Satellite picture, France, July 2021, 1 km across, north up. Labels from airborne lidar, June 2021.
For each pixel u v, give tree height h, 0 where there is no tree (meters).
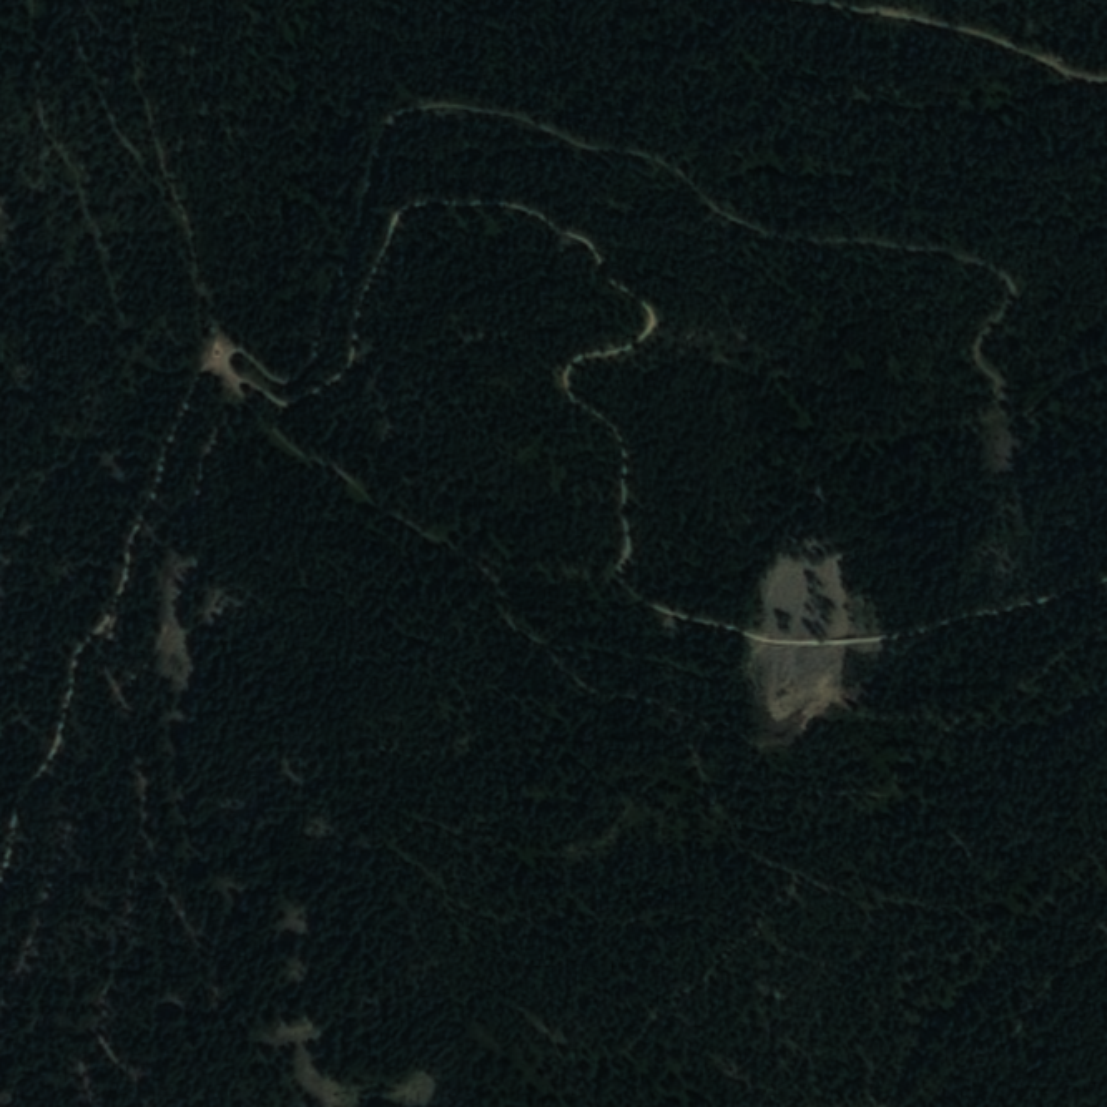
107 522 12
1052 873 23
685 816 10
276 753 7
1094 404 24
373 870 11
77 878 19
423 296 12
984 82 8
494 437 9
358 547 13
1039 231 23
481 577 13
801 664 0
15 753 17
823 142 26
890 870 24
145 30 19
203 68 18
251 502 11
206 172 17
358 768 12
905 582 18
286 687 16
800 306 25
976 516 25
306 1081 0
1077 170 22
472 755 7
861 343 20
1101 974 16
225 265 6
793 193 27
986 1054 25
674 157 22
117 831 20
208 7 15
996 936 25
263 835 12
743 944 13
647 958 18
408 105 9
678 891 20
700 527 19
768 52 25
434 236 20
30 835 17
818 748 14
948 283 18
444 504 23
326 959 17
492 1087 14
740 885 16
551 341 15
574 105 9
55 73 7
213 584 18
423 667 14
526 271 23
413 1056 14
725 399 23
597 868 18
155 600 21
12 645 18
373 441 11
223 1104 16
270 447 9
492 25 7
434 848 14
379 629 19
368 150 22
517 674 17
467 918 22
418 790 15
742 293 19
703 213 10
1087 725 21
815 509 27
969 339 14
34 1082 23
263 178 12
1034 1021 24
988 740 22
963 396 11
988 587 13
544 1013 17
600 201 7
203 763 26
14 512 13
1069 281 26
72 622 17
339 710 10
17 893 14
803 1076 18
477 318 22
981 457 31
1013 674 21
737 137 20
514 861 19
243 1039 13
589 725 21
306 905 14
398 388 18
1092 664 19
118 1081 20
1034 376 17
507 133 18
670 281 16
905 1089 20
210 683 25
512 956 16
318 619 13
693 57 26
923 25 11
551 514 20
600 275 13
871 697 11
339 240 6
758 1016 14
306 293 6
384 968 6
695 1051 20
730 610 24
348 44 28
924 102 8
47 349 18
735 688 20
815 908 16
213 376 14
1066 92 14
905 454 9
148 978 18
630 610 23
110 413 16
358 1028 20
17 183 11
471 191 23
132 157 21
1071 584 9
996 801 17
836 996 17
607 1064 14
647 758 19
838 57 21
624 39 32
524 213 13
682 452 16
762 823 15
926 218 24
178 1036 22
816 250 22
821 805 19
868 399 22
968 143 31
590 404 18
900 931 23
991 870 17
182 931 20
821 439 25
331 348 21
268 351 14
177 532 18
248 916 24
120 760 21
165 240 17
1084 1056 17
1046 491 21
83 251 8
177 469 14
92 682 8
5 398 22
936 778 25
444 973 12
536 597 13
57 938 17
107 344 19
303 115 21
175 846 27
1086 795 19
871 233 15
